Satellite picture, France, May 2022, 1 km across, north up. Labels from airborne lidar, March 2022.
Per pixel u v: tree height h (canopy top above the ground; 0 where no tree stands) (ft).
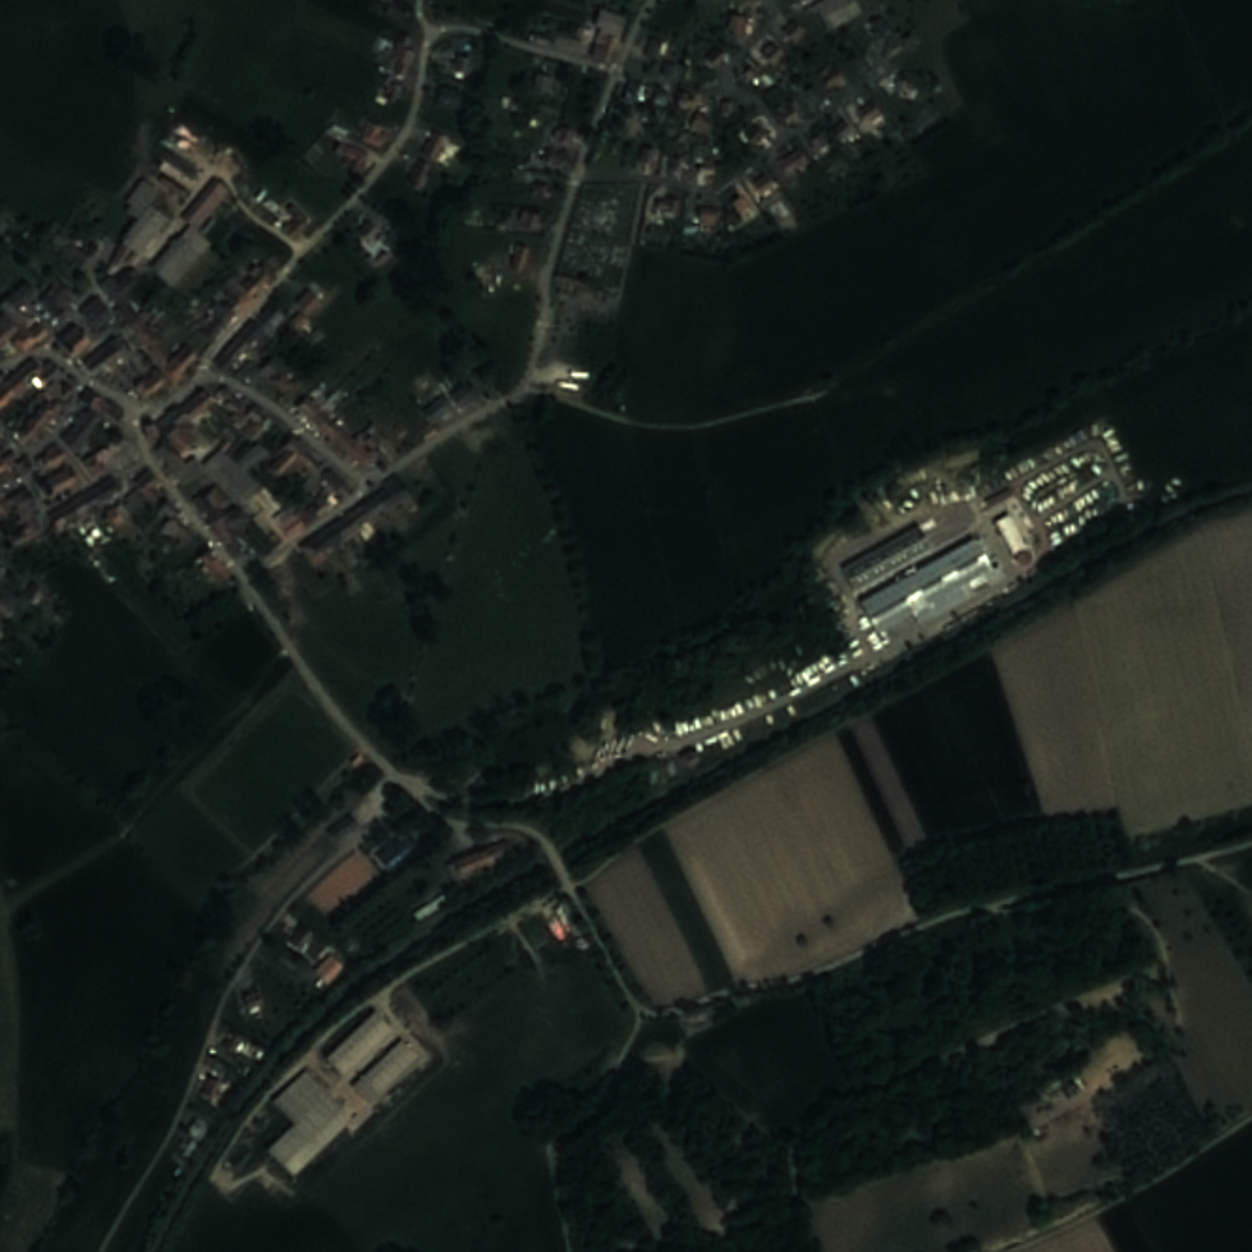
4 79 0
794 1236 46
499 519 0
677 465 0
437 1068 0
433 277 105
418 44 0
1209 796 0
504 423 0
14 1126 0
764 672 0
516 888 25
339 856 0
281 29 0
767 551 0
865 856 0
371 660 0
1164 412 0
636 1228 44
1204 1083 0
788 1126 0
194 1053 0
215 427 0
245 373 0
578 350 0
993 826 0
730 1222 35
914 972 63
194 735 108
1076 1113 0
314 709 0
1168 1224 0
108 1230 0
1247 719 0
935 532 0
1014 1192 0
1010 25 0
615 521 0
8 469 0
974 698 0
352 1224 0
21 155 0
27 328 0
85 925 0
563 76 37
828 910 0
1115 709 0
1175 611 0
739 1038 0
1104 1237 0
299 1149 0
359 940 0
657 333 0
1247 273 0
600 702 0
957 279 0
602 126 25
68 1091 0
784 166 0
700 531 0
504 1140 0
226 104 0
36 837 0
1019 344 0
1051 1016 27
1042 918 42
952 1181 0
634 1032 0
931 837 0
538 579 0
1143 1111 31
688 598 0
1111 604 0
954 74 0
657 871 0
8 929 0
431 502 32
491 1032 0
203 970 0
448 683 0
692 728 0
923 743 0
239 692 0
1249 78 0
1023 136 0
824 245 0
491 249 0
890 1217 0
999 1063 25
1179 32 0
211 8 0
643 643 0
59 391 0
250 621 0
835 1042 45
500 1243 0
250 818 0
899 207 0
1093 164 0
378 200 0
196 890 0
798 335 0
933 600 0
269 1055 31
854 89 0
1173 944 0
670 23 0
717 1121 38
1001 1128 35
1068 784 0
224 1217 0
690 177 0
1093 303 0
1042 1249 0
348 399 0
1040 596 18
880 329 0
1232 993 0
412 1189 0
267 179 0
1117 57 0
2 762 0
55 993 0
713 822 0
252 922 0
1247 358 0
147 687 0
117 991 0
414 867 51
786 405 0
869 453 0
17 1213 0
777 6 0
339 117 0
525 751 0
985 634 43
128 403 0
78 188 0
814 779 0
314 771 0
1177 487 0
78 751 0
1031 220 0
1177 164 37
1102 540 51
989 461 19
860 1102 35
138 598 0
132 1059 0
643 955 0
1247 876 0
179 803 0
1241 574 0
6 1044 0
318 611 0
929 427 0
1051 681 0
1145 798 0
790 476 0
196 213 0
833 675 0
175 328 0
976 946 0
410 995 0
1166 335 0
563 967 0
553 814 26
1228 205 0
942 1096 44
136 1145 0
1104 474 0
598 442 0
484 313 0
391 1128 0
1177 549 0
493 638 0
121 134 0
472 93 65
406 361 0
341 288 0
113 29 0
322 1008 20
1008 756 0
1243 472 0
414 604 45
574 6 0
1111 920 28
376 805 0
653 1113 40
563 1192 35
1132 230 0
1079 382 41
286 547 0
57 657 0
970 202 0
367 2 0
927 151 0
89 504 0
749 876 0
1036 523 0
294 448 0
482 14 0
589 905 22
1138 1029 68
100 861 0
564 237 0
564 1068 0
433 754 72
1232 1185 0
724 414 0
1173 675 0
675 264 0
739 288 0
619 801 22
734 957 0
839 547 0
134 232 0
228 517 0
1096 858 31
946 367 0
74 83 0
